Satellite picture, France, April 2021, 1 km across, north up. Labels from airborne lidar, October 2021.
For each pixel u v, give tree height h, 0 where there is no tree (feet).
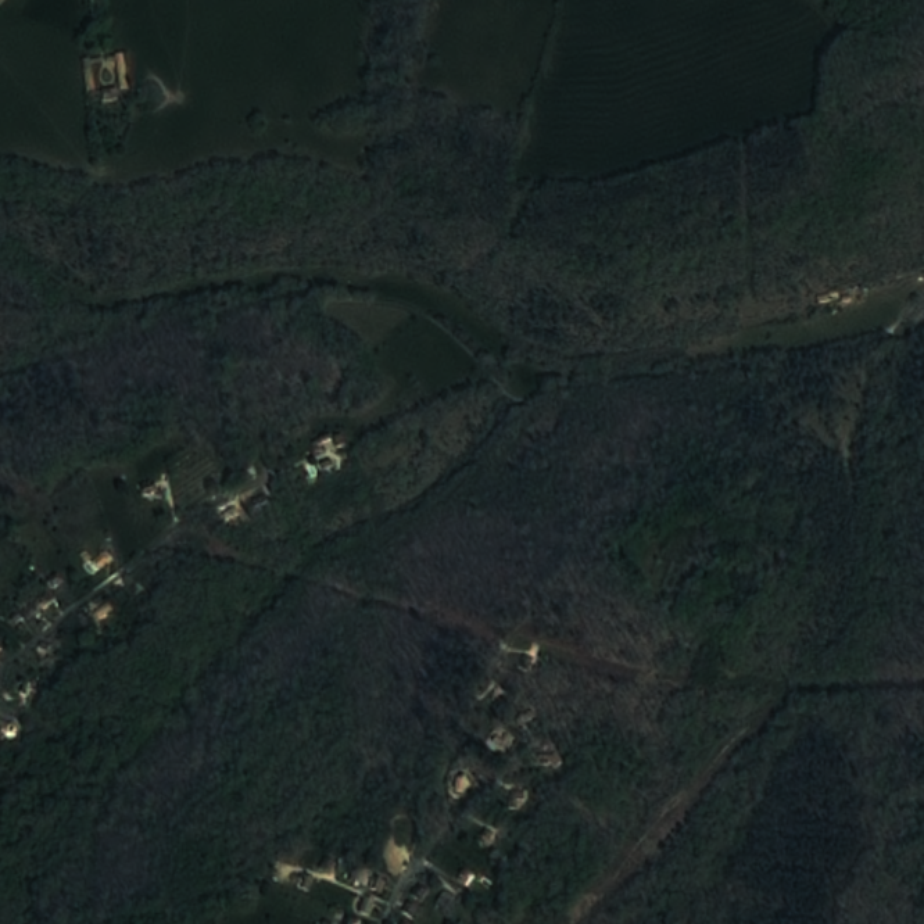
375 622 58
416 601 39
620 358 32
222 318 42
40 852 87
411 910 0
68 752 52
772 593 87
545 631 20
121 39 0
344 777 79
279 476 41
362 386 54
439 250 59
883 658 42
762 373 43
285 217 68
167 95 0
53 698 91
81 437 61
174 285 43
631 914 90
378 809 58
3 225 71
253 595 78
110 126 24
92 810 105
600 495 31
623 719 61
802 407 49
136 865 54
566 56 0
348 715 77
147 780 49
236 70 0
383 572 47
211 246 51
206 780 42
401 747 59
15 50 0
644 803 62
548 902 71
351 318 0
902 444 37
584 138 0
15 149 0
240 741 83
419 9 77
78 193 89
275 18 0
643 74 0
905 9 48
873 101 42
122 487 41
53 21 0
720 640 67
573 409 34
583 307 43
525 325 39
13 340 48
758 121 0
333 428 0
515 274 55
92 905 46
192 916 56
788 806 59
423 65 60
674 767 53
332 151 0
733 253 56
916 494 54
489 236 61
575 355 26
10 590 0
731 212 59
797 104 0
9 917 77
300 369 40
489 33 0
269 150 0
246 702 63
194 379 51
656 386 40
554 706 58
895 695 51
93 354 43
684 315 32
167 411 71
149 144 0
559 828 81
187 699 100
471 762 71
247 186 93
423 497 30
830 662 75
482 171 58
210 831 65
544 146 0
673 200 62
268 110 0
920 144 51
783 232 75
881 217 80
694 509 74
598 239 66
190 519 45
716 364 46
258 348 50
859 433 33
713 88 0
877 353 47
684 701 63
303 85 0
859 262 46
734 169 51
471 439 18
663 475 69
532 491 37
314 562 53
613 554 63
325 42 0
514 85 0
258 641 73
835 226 55
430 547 50
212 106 0
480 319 36
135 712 90
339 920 0
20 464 64
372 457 47
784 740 64
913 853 88
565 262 51
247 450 66
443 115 62
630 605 74
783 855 48
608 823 77
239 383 55
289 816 73
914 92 66
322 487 22
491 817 73
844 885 27
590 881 70
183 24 0
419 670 48
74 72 0
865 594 75
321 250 51
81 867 68
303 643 66
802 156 57
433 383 0
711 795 61
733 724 49
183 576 76
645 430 33
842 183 48
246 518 43
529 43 0
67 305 57
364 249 56
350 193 70
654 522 62
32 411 96
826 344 29
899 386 66
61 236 76
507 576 22
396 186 57
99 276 79
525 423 23
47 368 60
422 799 71
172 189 71
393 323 0
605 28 0
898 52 63
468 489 48
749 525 79
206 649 80
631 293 83
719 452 56
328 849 39
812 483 75
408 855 0
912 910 78
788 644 43
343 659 70
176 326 49
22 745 50
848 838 67
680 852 66
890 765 50
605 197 57
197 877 46
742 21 0
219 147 0
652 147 0
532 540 35
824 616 68
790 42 0
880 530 81
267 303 37
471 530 43
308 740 89
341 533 32
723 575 60
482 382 21
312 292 66
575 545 50
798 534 76
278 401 52
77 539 0
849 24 41
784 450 60
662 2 0
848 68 73
